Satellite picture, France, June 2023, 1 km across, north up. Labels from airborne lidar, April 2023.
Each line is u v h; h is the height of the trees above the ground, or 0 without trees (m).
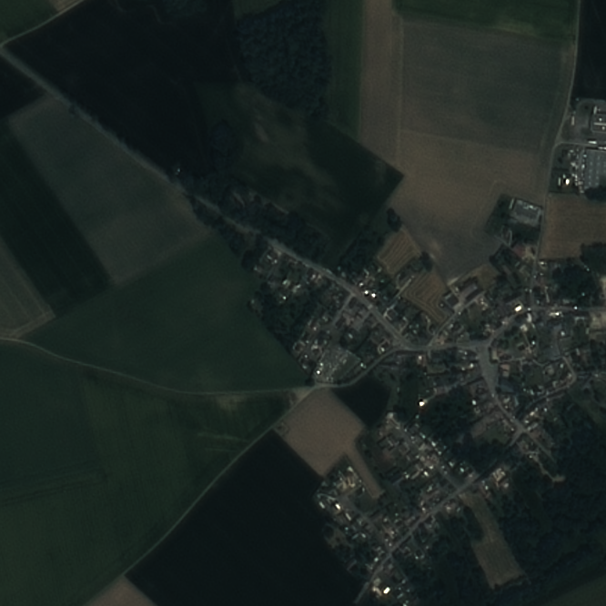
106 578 0
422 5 0
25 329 0
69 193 0
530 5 0
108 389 0
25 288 0
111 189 0
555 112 0
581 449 21
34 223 0
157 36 0
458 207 0
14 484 0
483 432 0
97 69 0
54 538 0
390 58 0
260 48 24
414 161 0
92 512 0
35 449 0
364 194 0
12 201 0
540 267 0
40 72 0
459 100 0
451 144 0
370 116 0
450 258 0
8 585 0
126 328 0
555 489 13
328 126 0
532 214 0
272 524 0
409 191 0
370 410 0
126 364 0
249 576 0
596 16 0
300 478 0
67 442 0
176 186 0
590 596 0
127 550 0
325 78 16
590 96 0
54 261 0
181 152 0
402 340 0
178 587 0
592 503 23
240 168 0
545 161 0
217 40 0
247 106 0
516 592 19
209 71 0
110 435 0
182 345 0
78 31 0
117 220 0
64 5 0
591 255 0
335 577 0
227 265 0
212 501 0
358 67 0
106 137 0
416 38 0
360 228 0
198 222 0
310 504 0
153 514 0
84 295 0
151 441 0
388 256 0
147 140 0
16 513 0
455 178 0
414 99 0
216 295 0
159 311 0
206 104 0
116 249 0
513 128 0
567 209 0
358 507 12
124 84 0
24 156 0
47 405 0
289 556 0
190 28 0
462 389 16
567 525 20
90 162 0
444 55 0
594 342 10
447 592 19
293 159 0
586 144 0
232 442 0
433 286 0
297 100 20
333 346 0
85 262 0
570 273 15
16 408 0
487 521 0
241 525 0
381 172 0
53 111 0
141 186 0
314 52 27
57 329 0
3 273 0
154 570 0
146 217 0
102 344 0
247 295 0
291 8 23
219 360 0
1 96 0
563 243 0
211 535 0
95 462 0
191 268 0
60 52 0
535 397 6
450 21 0
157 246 0
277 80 24
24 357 0
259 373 0
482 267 0
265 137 0
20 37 0
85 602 0
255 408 0
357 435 0
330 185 0
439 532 7
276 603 0
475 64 0
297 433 0
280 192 0
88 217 0
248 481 0
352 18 0
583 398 0
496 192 0
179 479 0
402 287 0
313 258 11
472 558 17
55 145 0
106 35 0
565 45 0
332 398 0
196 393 0
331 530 6
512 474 0
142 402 0
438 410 10
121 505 0
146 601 0
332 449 0
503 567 0
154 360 0
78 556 0
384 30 0
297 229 15
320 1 26
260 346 0
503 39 0
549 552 22
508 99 0
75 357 0
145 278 0
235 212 25
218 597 0
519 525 19
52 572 0
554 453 9
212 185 12
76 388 0
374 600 16
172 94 0
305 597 0
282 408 0
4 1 0
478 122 0
